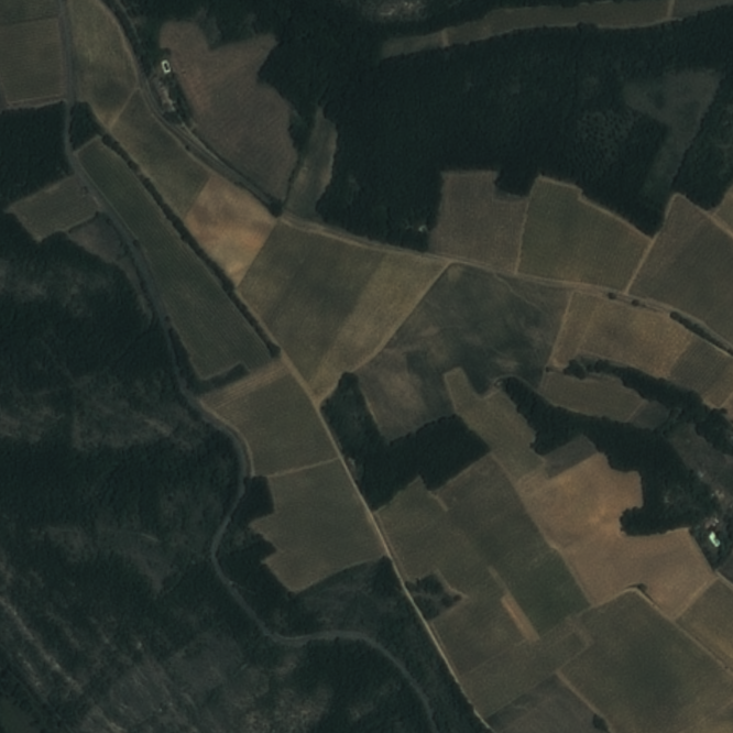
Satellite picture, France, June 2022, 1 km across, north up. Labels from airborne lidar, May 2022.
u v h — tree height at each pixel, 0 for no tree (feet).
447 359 0
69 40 0
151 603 30
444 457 39
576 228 0
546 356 0
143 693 0
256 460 0
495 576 0
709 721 0
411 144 43
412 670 30
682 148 0
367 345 0
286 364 0
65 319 27
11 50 0
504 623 0
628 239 0
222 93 0
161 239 0
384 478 36
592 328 0
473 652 0
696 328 29
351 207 25
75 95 0
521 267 0
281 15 53
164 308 0
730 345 0
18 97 0
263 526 0
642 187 27
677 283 0
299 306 0
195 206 0
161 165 0
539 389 0
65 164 31
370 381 0
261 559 32
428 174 44
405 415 0
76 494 30
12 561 19
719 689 0
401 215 32
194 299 0
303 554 0
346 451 28
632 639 0
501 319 0
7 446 28
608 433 48
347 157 33
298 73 24
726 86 38
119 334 39
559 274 0
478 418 0
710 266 0
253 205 0
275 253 0
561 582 0
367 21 20
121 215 0
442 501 0
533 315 0
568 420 43
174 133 0
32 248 28
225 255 0
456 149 41
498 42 49
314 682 29
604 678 0
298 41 51
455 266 0
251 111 0
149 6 48
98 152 0
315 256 0
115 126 0
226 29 36
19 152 28
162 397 22
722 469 0
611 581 0
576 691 0
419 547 0
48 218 0
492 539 0
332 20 65
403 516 0
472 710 32
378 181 41
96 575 30
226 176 0
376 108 55
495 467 0
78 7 0
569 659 0
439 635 0
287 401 0
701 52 27
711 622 0
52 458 51
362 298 0
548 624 0
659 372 0
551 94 28
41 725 53
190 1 39
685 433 0
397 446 41
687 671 0
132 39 28
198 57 0
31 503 20
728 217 0
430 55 46
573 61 31
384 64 50
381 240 39
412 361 0
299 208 0
